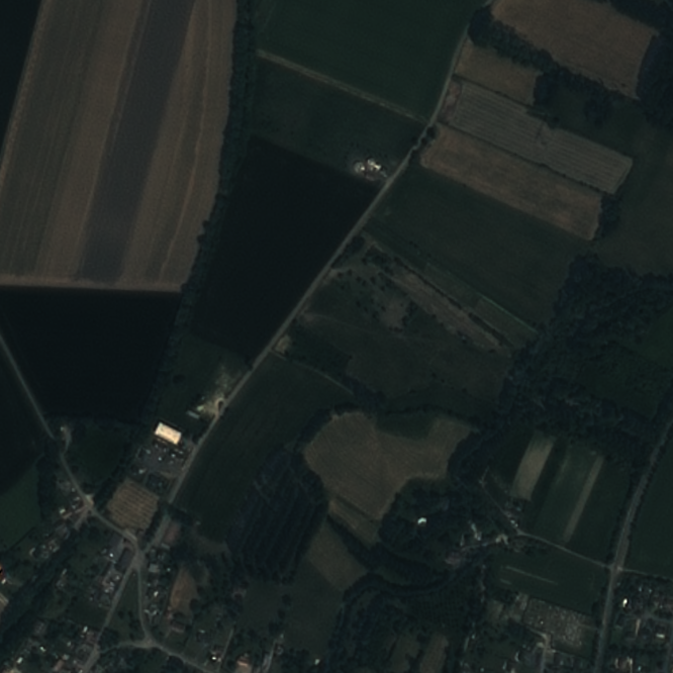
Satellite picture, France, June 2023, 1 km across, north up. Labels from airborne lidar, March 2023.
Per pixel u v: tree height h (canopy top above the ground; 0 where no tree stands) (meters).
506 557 0
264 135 0
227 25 0
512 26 0
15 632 19
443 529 15
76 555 11
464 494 10
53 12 0
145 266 0
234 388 0
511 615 0
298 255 0
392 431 0
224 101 0
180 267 0
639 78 0
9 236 0
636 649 9
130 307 0
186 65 0
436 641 0
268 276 0
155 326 0
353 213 0
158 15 0
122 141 0
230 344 0
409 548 20
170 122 0
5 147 0
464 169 0
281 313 0
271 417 0
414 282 0
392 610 21
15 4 0
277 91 0
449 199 0
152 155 0
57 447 18
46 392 0
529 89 0
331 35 0
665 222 0
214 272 0
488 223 0
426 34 0
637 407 0
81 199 0
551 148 0
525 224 0
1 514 0
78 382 0
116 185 0
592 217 0
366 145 0
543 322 0
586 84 16
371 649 27
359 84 0
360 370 0
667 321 0
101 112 0
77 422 12
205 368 0
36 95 0
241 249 0
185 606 0
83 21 0
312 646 0
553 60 26
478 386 0
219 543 0
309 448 0
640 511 7
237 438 0
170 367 13
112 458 0
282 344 0
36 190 0
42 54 0
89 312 0
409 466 0
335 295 0
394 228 0
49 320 0
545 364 7
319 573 0
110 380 0
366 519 0
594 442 7
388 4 0
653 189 0
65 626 7
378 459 0
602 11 0
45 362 0
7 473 0
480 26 29
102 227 0
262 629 0
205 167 0
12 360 0
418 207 0
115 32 0
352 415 0
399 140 0
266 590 0
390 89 0
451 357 0
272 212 0
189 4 0
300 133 0
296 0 0
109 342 0
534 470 0
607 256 0
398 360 0
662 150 0
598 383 0
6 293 0
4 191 0
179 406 0
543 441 0
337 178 0
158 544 0
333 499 0
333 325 0
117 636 11
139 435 16
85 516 0
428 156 0
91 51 0
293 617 0
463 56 0
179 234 0
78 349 0
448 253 0
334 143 0
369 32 0
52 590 11
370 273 0
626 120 0
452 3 0
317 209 0
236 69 13
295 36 0
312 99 0
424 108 0
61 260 0
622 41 0
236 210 0
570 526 0
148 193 0
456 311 0
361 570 0
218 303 0
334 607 0
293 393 0
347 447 0
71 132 0
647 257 0
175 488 0
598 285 33
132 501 0
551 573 0
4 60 0
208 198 0
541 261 0
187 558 35
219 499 0
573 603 0
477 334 0
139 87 0
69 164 0
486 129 0
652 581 10
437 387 0
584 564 0
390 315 0
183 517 22
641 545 0
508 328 0
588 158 0
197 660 0
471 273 0
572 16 0
